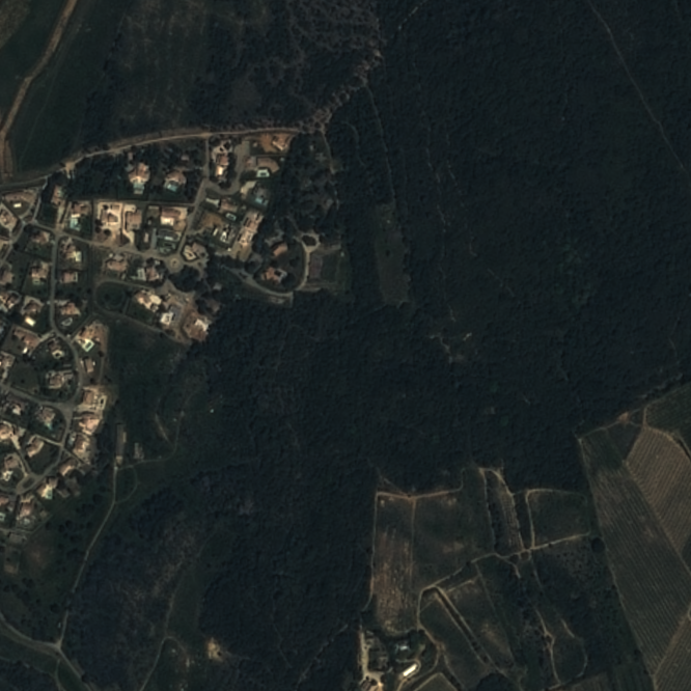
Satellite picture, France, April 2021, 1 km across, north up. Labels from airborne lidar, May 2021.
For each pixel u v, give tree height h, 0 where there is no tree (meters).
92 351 0
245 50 7
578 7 6
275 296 0
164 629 0
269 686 6
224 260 8
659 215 8
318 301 8
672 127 6
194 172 6
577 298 7
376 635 6
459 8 6
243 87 0
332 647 6
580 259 7
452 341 7
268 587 5
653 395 6
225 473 7
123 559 9
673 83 6
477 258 6
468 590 0
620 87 6
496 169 6
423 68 6
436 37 6
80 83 0
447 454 7
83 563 9
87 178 7
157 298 0
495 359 7
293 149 6
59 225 0
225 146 8
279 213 6
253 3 0
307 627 6
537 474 7
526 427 6
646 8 6
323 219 7
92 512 7
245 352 6
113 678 7
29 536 0
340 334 6
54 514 0
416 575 0
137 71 0
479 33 6
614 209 7
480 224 5
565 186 9
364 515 7
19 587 6
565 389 7
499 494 0
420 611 0
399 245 0
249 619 5
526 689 0
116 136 0
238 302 8
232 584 8
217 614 6
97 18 0
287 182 7
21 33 0
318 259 0
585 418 6
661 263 9
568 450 7
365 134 10
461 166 6
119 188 7
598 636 6
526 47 9
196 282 6
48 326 6
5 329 7
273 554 6
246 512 16
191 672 0
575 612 6
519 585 6
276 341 9
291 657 7
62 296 9
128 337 0
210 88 7
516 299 7
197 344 10
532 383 6
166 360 0
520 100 6
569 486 8
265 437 8
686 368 7
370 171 9
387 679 6
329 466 5
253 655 6
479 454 7
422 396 6
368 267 9
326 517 10
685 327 6
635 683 0
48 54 0
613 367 7
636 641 0
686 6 7
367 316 8
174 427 0
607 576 6
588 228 7
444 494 0
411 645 9
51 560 0
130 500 0
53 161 0
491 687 9
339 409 7
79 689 0
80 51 0
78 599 9
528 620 9
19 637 0
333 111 7
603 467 0
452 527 0
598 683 0
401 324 10
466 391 8
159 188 8
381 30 8
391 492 0
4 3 0
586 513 0
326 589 11
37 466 0
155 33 0
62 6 0
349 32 7
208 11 0
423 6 6
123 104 0
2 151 0
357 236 8
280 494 5
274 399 6
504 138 7
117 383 0
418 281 6
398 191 7
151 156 6
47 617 7
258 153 0
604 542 8
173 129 0
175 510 6
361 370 8
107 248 0
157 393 0
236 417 7
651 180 6
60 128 0
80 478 8
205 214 0
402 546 0
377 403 7
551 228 6
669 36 7
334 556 6
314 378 6
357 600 6
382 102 6
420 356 7
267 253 14
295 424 6
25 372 0
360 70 7
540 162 6
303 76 6
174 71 0
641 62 6
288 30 7
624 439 0
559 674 0
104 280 0
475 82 5
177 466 0
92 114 8
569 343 8
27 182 0
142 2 0
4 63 0
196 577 0
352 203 7
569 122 7
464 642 0
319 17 6
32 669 8
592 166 7
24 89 0
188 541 0
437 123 8
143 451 0
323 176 13
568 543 0
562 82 8
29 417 8
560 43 7
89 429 0
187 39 0
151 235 0
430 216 9
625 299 7
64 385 0
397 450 9
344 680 9
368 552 8
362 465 6
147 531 9
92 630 10
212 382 9
